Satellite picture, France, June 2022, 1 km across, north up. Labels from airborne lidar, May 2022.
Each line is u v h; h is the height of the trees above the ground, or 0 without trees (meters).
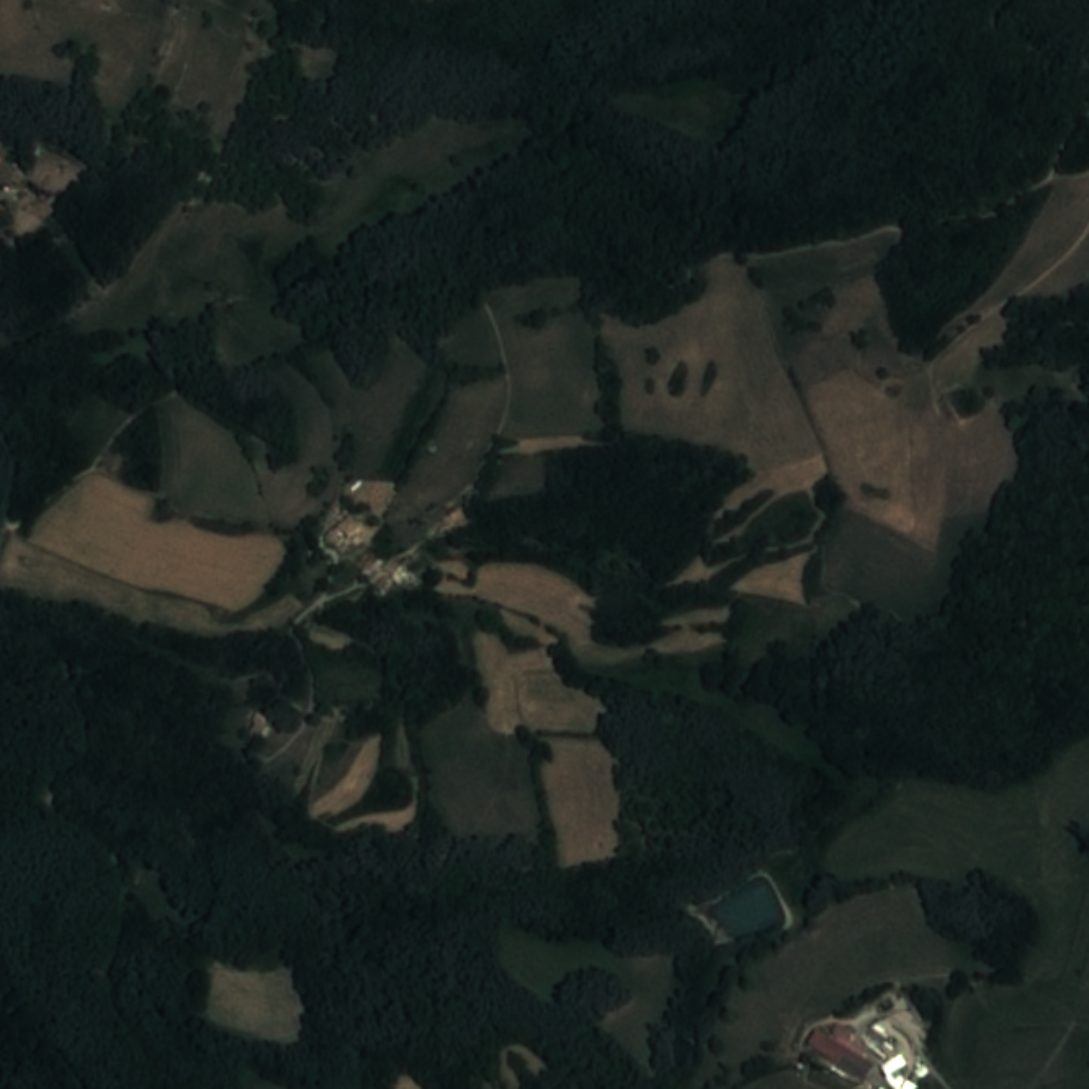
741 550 14
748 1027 0
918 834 0
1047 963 0
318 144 14
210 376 20
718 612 0
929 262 18
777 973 0
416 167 0
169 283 0
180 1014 17
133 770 19
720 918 0
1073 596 19
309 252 17
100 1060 23
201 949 20
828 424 0
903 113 23
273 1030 0
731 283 0
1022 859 0
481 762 0
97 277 20
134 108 13
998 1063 0
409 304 18
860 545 0
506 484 0
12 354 18
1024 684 23
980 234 16
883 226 12
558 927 19
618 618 7
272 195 16
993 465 0
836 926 0
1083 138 13
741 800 25
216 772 16
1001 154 20
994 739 24
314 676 6
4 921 29
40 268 20
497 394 0
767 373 0
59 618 22
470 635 7
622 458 15
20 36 0
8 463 19
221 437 0
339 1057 26
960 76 21
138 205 24
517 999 26
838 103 28
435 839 17
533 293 0
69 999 21
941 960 0
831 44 28
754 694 20
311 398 0
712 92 0
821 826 12
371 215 0
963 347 0
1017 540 18
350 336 17
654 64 22
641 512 19
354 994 23
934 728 19
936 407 0
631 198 14
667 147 22
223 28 0
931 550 0
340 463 9
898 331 6
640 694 16
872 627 16
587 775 0
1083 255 0
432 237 17
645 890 20
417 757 7
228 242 0
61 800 20
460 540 16
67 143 19
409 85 20
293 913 29
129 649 19
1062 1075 0
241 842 25
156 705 20
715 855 21
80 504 0
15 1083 22
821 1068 8
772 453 0
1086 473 23
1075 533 21
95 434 0
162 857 21
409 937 28
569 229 21
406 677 18
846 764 24
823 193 23
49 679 24
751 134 25
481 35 24
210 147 8
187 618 0
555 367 0
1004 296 0
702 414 0
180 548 0
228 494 0
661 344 0
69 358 25
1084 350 19
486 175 22
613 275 9
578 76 30
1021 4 18
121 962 21
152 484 18
